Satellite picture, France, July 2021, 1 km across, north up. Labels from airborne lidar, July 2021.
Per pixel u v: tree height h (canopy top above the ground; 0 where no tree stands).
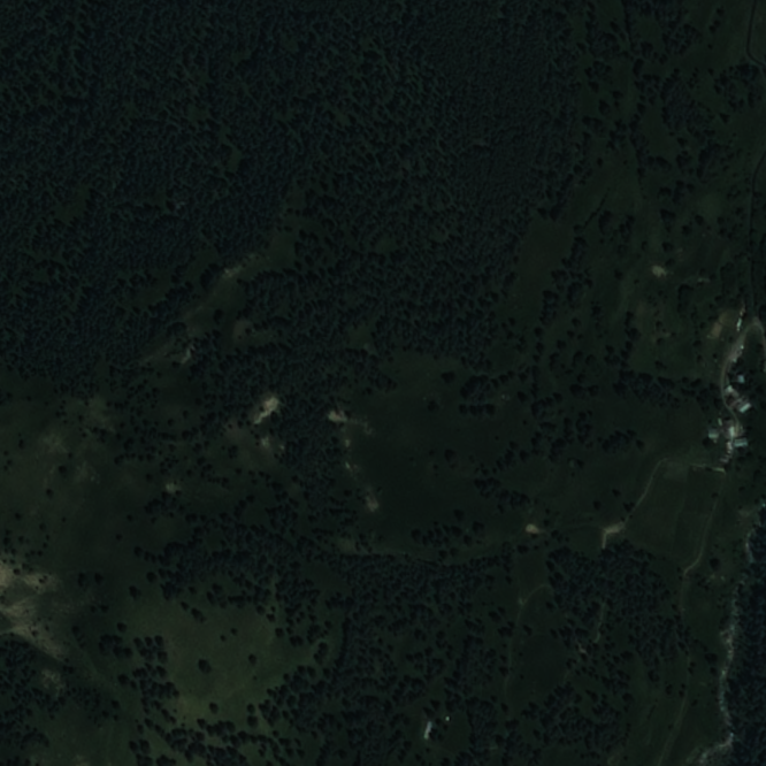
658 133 0
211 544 0
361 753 19
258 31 24
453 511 0
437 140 28
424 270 29
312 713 25
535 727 0
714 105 0
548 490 0
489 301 10
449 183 25
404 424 0
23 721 13
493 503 0
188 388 0
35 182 20
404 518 0
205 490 0
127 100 21
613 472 0
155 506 22
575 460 9
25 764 11
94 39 28
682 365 0
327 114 26
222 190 23
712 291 0
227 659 0
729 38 0
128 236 22
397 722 18
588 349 0
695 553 0
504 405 0
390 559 11
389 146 21
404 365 0
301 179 20
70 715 0
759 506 12
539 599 0
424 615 22
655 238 0
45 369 12
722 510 0
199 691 0
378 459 0
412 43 24
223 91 24
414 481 0
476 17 21
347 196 26
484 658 25
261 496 0
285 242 0
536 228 0
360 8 24
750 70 25
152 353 0
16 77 13
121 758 0
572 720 13
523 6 22
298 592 18
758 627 23
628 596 19
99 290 20
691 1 0
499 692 0
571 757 0
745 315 9
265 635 0
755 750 23
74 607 0
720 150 20
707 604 0
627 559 25
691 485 0
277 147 25
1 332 18
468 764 26
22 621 0
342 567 12
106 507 0
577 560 11
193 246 21
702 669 0
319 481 22
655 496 0
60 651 0
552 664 0
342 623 0
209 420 13
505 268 31
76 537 0
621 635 0
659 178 0
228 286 0
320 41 24
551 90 24
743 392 10
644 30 0
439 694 0
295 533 26
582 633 25
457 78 20
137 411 7
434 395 0
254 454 0
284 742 16
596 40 30
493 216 24
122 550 0
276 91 28
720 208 0
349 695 26
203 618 19
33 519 0
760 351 9
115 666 0
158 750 0
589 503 0
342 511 12
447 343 22
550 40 17
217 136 21
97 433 14
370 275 30
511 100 20
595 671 15
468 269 31
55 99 24
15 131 24
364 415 0
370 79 25
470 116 21
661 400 18
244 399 19
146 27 26
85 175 18
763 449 0
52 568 0
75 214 0
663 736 0
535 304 0
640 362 0
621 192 0
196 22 27
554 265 0
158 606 0
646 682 0
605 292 0
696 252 0
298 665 0
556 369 10
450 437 0
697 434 0
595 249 0
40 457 0
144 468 0
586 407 0
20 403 0
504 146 20
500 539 0
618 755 0
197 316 0
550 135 27
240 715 0
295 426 21
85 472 0
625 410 0
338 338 27
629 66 0
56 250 23
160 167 21
